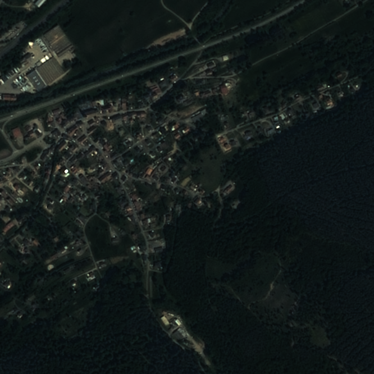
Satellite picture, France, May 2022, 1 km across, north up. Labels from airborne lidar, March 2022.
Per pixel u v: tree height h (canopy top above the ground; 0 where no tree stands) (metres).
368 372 16
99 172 0
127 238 0
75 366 26
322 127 25
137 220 0
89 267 0
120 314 23
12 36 0
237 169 12
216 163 0
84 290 13
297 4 0
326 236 24
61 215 0
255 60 0
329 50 10
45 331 24
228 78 0
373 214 22
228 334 11
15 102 16
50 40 0
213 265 0
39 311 15
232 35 0
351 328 16
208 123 10
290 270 7
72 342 10
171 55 13
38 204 0
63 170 0
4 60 13
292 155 26
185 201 6
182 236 12
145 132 0
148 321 34
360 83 0
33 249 0
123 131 0
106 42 0
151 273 0
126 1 0
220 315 11
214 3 21
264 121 0
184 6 0
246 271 16
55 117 0
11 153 0
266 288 0
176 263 12
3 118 0
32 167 0
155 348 27
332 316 14
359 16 0
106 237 0
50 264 0
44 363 24
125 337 24
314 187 25
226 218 18
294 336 8
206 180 0
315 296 11
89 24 0
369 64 15
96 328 25
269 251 12
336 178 27
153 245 0
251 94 0
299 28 0
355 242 24
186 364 25
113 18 0
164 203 13
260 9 0
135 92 7
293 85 9
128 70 14
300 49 11
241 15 0
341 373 15
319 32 0
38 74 0
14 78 0
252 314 9
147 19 0
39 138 0
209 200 7
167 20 0
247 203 17
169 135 0
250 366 11
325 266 10
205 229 14
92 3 0
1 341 13
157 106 14
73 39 0
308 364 13
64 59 0
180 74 0
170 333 0
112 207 20
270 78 0
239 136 0
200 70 0
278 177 22
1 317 0
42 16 0
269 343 14
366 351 16
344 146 27
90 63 0
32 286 8
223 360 13
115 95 14
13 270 17
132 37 0
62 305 6
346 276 17
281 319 0
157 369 18
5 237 0
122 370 11
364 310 12
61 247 17
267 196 23
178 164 7
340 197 25
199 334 18
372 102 28
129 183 0
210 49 9
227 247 20
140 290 23
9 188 0
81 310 0
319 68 0
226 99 0
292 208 19
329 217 22
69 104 9
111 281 28
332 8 0
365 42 14
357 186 27
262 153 19
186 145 8
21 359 31
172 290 13
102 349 28
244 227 20
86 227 0
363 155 27
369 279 20
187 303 11
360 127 27
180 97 0
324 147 24
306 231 19
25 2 0
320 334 0
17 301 0
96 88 0
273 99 13
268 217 20
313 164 25
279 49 0
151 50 17
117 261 0
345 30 0
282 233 23
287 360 12
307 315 20
